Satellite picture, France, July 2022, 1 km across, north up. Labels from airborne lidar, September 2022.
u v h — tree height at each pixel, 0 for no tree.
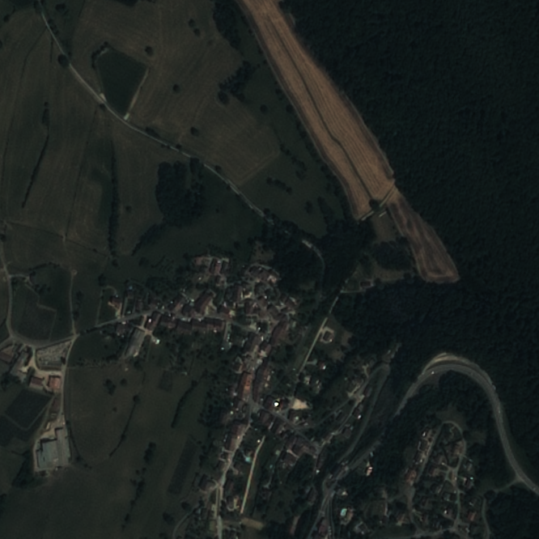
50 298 0
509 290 17
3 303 0
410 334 26
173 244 0
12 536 0
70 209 0
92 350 0
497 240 23
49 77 0
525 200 19
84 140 0
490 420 19
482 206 15
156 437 0
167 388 0
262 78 0
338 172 0
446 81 21
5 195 0
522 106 15
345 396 0
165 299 8
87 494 0
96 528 0
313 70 0
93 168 0
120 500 0
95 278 0
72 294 0
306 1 23
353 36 22
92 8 0
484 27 13
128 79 0
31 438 0
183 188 14
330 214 19
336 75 24
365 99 22
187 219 15
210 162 0
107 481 0
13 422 0
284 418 0
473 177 12
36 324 0
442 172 17
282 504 12
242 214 0
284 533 15
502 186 15
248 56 0
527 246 20
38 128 0
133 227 0
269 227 19
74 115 0
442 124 18
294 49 0
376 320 23
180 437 0
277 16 0
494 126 20
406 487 0
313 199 0
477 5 10
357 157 0
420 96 20
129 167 0
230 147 0
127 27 0
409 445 6
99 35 0
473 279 8
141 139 0
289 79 0
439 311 24
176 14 0
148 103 0
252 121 0
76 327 0
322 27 24
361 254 16
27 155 0
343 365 19
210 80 0
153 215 0
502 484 11
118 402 0
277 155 0
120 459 0
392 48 24
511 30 17
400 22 23
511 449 0
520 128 16
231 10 16
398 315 23
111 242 11
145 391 0
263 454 0
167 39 0
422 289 30
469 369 0
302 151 0
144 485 10
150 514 0
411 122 20
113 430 0
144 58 0
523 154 18
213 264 0
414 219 0
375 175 0
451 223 20
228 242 0
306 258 19
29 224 0
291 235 19
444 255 0
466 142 18
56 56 0
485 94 18
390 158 14
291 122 0
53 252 0
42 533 0
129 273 0
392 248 26
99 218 0
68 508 0
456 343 20
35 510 0
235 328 7
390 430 14
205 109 0
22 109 0
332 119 0
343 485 13
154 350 0
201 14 0
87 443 0
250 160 0
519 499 14
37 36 0
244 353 8
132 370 0
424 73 22
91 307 0
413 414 11
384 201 0
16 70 0
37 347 0
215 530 0
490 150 15
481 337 23
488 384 0
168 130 0
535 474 0
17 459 0
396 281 0
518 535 19
